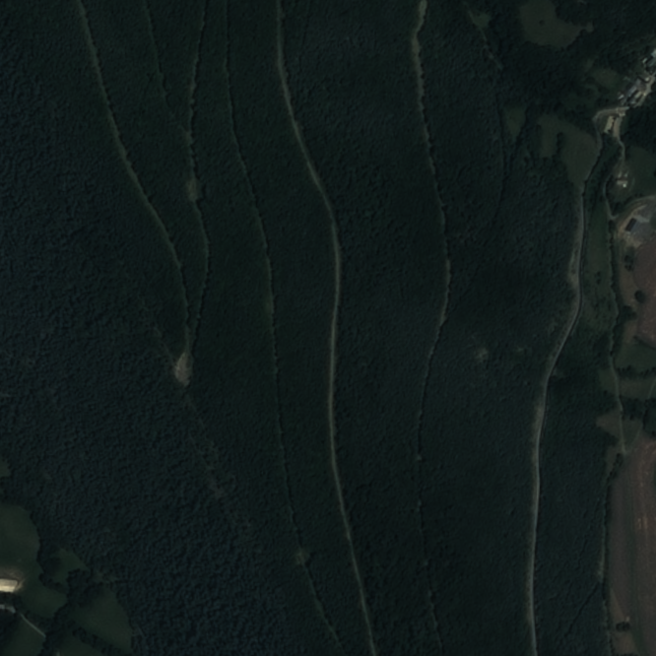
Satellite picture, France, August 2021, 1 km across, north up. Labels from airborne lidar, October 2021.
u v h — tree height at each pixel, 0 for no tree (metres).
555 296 12
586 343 7
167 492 8
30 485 15
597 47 7
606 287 0
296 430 18
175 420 16
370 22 17
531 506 11
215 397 19
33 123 16
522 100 20
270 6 19
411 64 14
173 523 17
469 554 20
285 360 15
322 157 16
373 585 25
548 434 10
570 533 14
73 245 24
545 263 15
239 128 19
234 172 18
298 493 17
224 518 12
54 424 15
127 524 8
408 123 18
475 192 20
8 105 17
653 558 0
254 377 15
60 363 16
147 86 12
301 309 16
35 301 22
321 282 17
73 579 16
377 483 21
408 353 13
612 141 9
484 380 11
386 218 22
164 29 17
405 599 19
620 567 0
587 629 11
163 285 17
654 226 0
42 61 14
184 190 17
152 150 21
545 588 12
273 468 22
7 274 14
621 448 0
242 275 15
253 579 13
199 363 15
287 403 18
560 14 20
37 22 17
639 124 20
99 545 15
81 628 9
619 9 17
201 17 13
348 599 20
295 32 14
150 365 13
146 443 13
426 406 15
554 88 19
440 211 21
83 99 16
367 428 15
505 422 14
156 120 16
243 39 17
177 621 30
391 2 17
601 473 8
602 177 7
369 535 17
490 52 14
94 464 13
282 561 16
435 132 13
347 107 15
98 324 23
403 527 20
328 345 13
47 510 11
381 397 17
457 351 10
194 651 19
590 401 7
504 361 10
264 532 19
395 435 16
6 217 21
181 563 26
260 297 15
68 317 16
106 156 16
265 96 16
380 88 17
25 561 0
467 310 18
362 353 20
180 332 12
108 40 16
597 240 0
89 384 23
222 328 21
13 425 12
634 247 0
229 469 14
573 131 0
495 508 14
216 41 13
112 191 15
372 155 18
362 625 17
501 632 15
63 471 12
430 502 20
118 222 20
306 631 21
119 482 15
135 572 14
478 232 18
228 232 19
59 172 14
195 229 17
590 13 19
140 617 13
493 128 15
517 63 19
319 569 20
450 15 21
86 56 17
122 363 16
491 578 16
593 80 11
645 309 0
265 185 18
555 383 15
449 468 19
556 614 16
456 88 15
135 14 17
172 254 15
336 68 19
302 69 14
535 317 13
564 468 13
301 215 18
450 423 18
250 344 16
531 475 11
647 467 0
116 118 16
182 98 17
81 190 12
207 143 16
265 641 18
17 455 15
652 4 17
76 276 18
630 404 9
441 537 24
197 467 14
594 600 12
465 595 19
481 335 12
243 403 21
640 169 0
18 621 12
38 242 18
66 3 16
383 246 22
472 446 16
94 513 15
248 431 18
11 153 18
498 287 19
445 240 19
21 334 12
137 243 22
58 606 0
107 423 22
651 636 0
